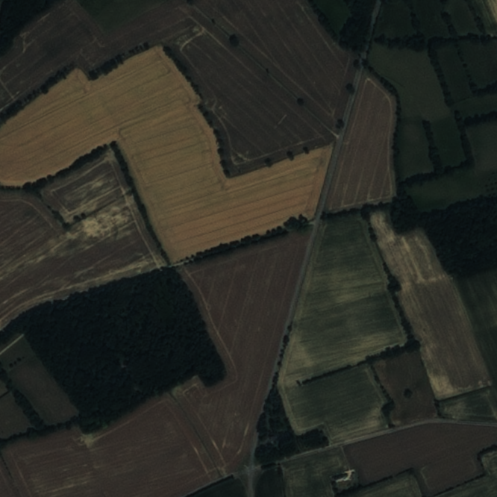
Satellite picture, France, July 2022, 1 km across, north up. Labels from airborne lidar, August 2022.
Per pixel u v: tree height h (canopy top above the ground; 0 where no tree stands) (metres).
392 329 0
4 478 0
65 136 0
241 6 0
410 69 0
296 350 0
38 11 18
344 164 0
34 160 0
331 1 0
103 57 0
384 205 15
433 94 0
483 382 0
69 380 17
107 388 25
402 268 0
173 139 0
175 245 0
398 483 0
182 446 0
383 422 0
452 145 0
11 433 0
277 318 0
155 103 0
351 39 18
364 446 0
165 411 0
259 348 0
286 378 0
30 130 0
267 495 0
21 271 0
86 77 0
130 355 19
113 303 21
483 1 0
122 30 0
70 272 0
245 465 0
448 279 0
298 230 22
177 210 0
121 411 16
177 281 16
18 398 22
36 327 28
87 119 0
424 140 0
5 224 0
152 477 0
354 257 0
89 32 0
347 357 0
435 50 14
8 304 0
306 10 0
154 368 21
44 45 0
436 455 0
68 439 0
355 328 0
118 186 0
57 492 0
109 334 21
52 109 0
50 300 0
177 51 0
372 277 0
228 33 0
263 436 15
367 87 0
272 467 9
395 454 0
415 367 0
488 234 21
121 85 0
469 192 0
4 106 0
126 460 0
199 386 0
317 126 0
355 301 0
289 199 0
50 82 13
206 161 0
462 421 0
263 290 0
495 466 0
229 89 0
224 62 0
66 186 0
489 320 0
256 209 0
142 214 11
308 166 0
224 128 0
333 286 0
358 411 0
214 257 12
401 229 14
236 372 0
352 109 0
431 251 0
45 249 0
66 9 0
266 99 0
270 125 0
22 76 0
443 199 0
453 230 23
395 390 0
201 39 0
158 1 0
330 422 0
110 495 0
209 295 0
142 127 0
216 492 0
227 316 0
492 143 0
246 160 0
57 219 12
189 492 0
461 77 0
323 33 0
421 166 0
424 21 0
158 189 0
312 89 0
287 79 0
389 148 0
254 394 0
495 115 16
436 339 0
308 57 0
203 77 0
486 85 0
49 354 23
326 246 0
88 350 27
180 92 0
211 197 0
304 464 0
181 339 14
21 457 0
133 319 27
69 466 0
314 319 0
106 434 0
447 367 0
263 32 0
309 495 0
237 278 0
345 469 0
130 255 0
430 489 0
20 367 0
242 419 0
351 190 0
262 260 0
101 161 0
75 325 19
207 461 0
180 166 0
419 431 0
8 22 19
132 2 0
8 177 0
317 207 0
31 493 0
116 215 0
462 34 0
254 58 0
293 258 0
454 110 0
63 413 0
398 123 8
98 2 0
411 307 0
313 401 0
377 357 12
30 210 0
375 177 0
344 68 0
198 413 0
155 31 0
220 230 0
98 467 0
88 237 0
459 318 0
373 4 9
